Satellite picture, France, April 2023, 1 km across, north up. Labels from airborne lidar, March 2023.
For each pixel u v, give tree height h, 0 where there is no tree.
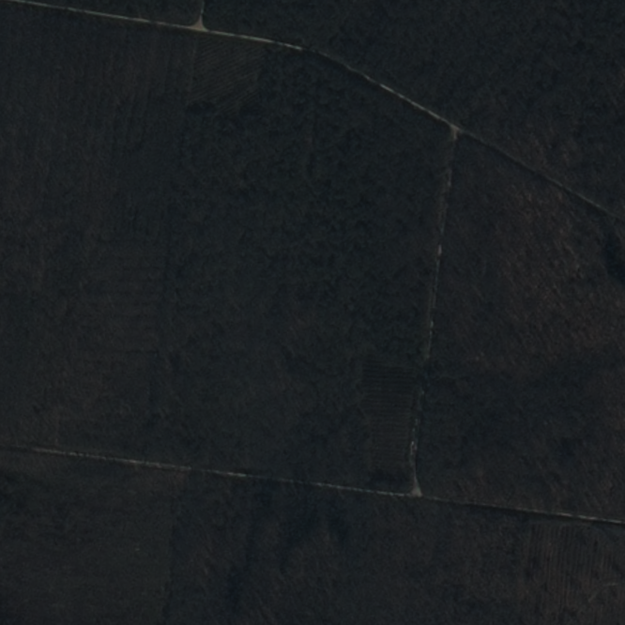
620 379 19
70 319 17
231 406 23
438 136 20
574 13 24
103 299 16
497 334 20
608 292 22
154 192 23
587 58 20
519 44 20
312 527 14
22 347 17
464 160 19
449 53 17
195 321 26
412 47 24
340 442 21
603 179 25
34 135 14
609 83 19
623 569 0
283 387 21
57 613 0
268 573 19
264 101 19
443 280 23
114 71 15
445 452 19
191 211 22
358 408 24
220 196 25
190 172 22
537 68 21
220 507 21
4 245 19
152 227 15
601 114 18
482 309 17
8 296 17
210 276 20
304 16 21
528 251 23
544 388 18
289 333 24
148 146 17
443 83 17
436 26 20
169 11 23
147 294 15
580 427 25
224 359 21
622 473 18
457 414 22
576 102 18
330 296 18
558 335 27
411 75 23
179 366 18
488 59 20
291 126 21
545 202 26
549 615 0
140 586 0
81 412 18
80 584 0
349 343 24
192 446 23
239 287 21
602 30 22
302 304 25
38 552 0
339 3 24
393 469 0
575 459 29
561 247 30
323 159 15
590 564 0
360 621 19
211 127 23
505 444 24
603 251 28
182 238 22
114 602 0
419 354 20
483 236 23
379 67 26
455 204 22
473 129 18
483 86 20
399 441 0
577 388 23
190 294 24
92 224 17
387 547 21
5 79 12
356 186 27
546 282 26
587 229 25
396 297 27
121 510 0
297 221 28
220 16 25
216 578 23
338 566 17
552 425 26
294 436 18
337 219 28
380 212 23
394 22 22
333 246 22
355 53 23
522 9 22
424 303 21
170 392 21
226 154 21
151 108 12
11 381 21
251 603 20
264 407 21
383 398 0
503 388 23
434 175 19
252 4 15
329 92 26
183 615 22
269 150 23
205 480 25
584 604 0
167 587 0
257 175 24
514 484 26
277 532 19
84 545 0
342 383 24
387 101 23
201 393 17
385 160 24
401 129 16
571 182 27
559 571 0
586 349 22
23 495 0
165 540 0
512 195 26
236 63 0
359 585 22
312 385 20
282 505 13
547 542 0
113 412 11
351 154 21
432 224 24
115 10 14
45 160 14
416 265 25
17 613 0
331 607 21
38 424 20
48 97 14
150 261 15
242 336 24
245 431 23
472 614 19
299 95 23
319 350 21
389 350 27
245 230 18
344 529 16
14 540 0
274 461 25
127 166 16
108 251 18
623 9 20
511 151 15
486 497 21
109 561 0
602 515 19
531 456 15
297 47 0
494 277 20
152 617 0
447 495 26
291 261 24
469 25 24
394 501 20
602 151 28
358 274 22
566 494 24
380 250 22
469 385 28
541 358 14
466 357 26
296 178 23
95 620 0
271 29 25
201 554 26
